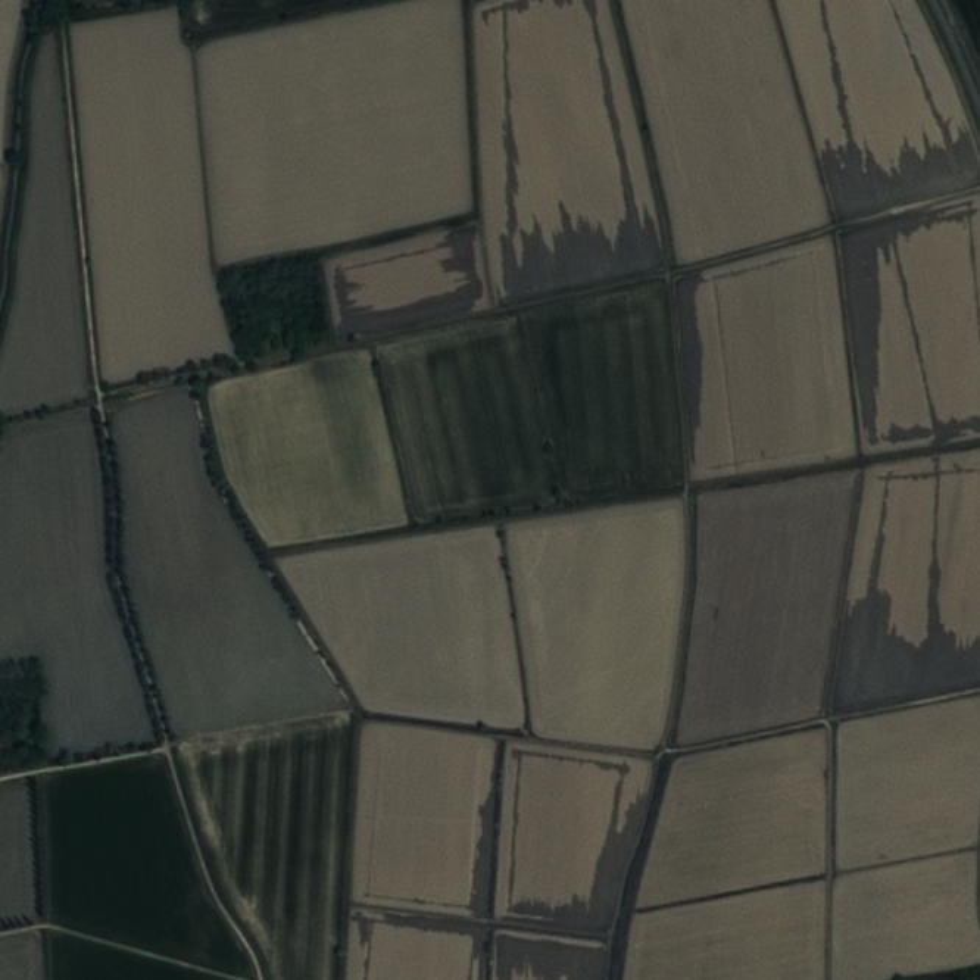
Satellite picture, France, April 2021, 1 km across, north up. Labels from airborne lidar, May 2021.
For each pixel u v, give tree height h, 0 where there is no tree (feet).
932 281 0
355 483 0
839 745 0
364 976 0
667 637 0
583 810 0
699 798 0
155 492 0
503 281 0
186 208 0
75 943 0
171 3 45
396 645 0
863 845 0
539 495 0
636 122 0
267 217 0
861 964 0
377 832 0
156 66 0
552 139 0
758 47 0
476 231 0
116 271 0
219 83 0
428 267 0
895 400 0
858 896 0
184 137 0
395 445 0
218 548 0
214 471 32
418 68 0
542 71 0
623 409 0
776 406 0
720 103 0
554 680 0
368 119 0
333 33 0
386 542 0
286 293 22
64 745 0
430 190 0
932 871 0
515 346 0
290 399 0
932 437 0
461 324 0
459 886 0
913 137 0
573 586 0
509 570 36
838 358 0
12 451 0
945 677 0
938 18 0
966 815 0
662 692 0
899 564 0
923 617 0
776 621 0
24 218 0
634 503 0
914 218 0
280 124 0
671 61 0
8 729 34
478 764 0
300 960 0
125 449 0
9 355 0
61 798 0
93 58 0
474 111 0
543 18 0
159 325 0
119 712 0
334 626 0
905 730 0
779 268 0
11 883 0
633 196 0
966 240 0
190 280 0
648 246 0
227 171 0
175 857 0
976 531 0
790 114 0
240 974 0
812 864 0
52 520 0
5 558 0
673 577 0
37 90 0
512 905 0
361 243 0
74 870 0
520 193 0
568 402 0
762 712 0
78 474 0
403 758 0
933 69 0
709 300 0
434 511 0
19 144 0
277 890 0
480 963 0
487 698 0
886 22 0
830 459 0
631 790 0
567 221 0
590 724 0
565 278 0
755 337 0
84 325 0
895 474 0
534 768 0
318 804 0
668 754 0
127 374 0
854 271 0
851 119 0
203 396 24
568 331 0
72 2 29
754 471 0
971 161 0
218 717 0
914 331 0
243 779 0
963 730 0
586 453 0
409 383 0
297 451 0
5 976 0
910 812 0
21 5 0
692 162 0
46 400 0
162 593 0
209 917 0
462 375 0
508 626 0
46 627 0
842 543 0
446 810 0
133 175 0
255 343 35
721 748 0
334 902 0
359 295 0
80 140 0
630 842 0
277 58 0
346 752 0
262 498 0
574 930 0
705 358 0
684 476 0
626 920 0
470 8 0
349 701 0
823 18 0
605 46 0
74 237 0
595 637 0
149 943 0
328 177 0
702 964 0
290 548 0
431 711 0
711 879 0
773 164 0
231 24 0
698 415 0
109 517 22
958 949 0
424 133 0
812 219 0
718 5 0
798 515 0
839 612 0
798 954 0
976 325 0
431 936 0
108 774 0
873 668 0
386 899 0
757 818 0
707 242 0
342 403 0
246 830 0
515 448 0
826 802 0
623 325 0
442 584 0
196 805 0
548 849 0
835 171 0
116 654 0
